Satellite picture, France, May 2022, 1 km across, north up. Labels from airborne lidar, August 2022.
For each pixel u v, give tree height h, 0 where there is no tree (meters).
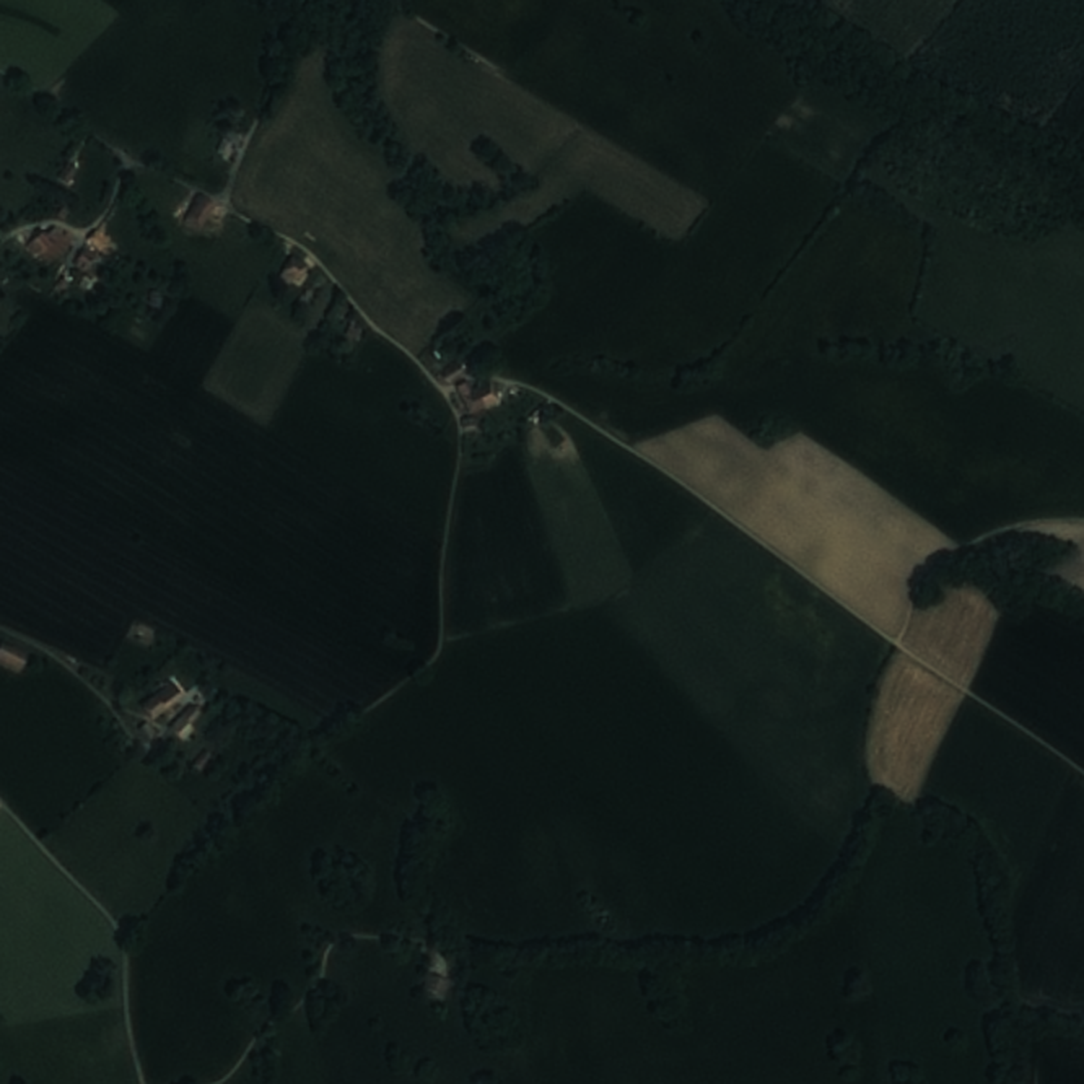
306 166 0
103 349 0
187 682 0
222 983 0
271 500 0
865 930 0
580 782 0
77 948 0
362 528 0
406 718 0
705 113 0
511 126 0
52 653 0
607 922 11
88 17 0
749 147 0
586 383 0
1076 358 0
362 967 0
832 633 0
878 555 0
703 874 0
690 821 0
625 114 0
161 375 0
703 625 0
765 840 0
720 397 0
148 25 0
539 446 0
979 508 0
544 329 0
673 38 0
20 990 0
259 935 0
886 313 0
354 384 0
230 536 0
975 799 0
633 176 0
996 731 0
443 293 0
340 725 19
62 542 0
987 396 0
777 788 0
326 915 0
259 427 0
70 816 6
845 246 0
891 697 0
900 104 22
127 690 17
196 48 0
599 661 0
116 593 0
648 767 0
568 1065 0
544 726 0
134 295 7
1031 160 15
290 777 19
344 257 0
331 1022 13
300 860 0
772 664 0
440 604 0
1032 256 0
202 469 0
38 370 0
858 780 0
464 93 0
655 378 0
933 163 10
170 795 0
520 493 0
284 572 0
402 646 14
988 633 0
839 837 0
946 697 0
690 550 0
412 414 14
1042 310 0
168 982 0
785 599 0
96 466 0
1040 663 0
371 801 0
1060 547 16
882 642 0
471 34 0
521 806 0
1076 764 0
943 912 0
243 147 0
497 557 0
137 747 14
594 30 0
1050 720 0
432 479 0
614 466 0
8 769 0
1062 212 10
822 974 0
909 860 0
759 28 20
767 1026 0
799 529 0
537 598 0
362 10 21
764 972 0
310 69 0
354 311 15
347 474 0
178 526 0
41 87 0
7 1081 0
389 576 0
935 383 0
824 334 0
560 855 0
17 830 0
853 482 0
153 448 0
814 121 0
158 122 0
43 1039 0
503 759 0
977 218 7
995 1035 19
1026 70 6
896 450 0
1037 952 0
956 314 0
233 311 0
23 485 0
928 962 0
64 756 0
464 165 0
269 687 0
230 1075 0
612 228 0
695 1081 0
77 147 7
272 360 0
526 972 0
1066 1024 15
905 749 0
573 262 0
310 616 0
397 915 0
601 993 0
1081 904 0
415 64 0
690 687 0
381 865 0
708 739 0
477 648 0
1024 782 0
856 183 11
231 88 0
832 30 24
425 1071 12
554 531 0
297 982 0
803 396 0
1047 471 0
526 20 0
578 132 0
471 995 17
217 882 0
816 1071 0
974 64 6
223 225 0
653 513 0
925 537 0
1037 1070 0
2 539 0
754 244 0
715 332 0
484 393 0
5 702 0
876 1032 0
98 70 0
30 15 0
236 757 0
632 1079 0
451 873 0
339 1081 0
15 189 0
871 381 0
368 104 22
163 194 0
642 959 21
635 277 0
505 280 26
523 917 0
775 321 0
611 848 0
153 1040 0
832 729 0
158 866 0
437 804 24
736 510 0
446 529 0
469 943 15
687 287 0
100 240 0
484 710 0
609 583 0
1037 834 0
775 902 0
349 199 0
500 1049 20
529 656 0
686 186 0
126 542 0
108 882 0
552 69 0
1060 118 8
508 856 0
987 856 21
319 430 0
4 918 0
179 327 0
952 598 0
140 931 24
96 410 0
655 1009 15
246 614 0
